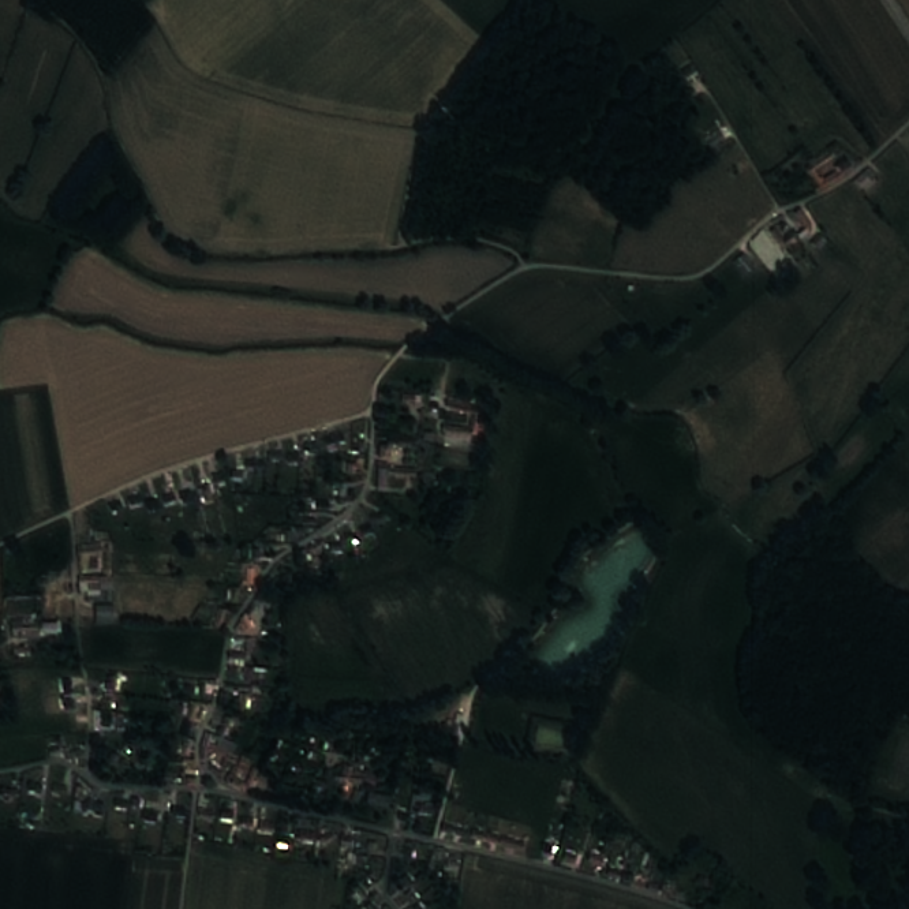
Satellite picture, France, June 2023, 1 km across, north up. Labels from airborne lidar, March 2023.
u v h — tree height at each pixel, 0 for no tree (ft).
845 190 0
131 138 0
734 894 0
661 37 0
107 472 0
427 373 0
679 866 23
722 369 0
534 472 0
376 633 0
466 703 0
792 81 0
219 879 0
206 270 0
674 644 0
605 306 0
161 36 0
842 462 0
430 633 0
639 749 0
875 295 0
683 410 0
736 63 0
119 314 0
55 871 0
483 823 0
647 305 0
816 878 85
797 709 72
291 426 0
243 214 0
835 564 76
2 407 0
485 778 0
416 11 0
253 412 0
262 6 0
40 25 0
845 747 82
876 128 0
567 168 28
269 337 0
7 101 0
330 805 50
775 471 0
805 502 0
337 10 0
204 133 0
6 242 0
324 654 0
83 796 0
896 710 70
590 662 66
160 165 0
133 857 0
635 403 0
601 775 0
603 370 0
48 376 0
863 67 0
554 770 0
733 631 0
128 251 0
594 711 102
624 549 0
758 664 67
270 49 0
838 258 0
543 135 64
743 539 0
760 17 0
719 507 0
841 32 0
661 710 0
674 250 0
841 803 0
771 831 0
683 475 0
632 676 0
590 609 0
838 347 0
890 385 0
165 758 18
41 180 0
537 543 0
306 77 0
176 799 0
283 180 0
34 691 0
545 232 0
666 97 30
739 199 0
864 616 74
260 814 0
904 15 0
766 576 63
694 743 0
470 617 0
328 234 0
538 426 0
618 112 65
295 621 0
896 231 0
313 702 0
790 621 72
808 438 0
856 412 0
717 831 0
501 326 0
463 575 0
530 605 0
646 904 0
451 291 0
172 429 0
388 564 0
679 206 0
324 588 50
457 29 0
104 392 0
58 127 0
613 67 62
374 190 0
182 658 0
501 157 58
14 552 63
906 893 113
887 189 0
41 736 0
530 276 0
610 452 34
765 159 0
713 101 0
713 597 0
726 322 0
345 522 0
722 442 0
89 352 0
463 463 0
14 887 0
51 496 0
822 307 0
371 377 0
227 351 0
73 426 0
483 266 0
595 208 0
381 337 0
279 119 0
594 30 49
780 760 0
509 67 55
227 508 0
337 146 0
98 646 0
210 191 0
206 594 0
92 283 0
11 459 0
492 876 0
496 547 0
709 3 0
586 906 0
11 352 0
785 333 0
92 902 0
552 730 0
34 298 0
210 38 0
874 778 80
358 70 0
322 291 0
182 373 0
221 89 0
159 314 0
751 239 0
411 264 0
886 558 0
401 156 0
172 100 0
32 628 0
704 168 32
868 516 0
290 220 0
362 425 0
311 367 0
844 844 0
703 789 0
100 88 0
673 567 0
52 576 0
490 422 67
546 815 0
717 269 0
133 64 0
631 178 61
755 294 0
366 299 43
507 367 92
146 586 0
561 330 0
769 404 0
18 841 0
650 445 0
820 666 69
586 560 0
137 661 0
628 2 0
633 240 0
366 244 0
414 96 0
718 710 0
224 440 0
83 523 0
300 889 0
